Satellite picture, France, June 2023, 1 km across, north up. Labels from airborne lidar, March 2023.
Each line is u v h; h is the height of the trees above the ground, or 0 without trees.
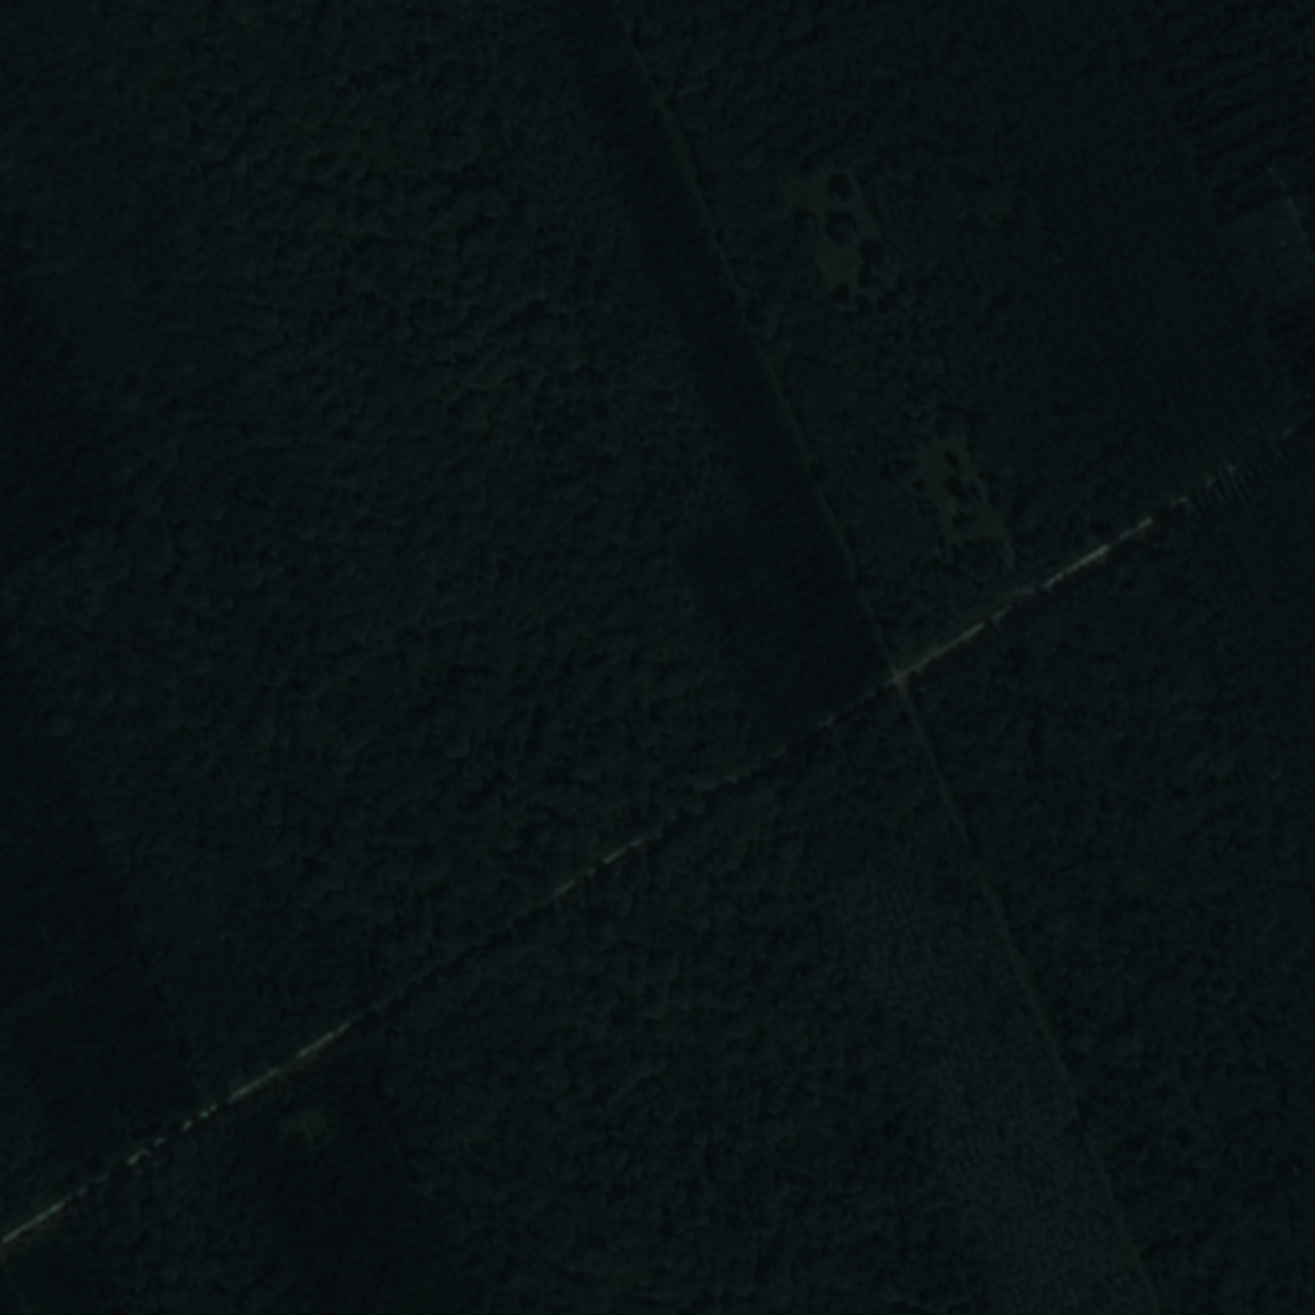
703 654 25
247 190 18
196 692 21
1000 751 23
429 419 22
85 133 23
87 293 21
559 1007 25
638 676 22
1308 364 23
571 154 27
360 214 25
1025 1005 26
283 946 23
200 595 21
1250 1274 20
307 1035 18
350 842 25
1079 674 23
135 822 20
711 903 21
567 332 24
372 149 21
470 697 23
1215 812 24
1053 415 37
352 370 17
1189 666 24
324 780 22
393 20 21
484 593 23
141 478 24
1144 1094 21
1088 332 36
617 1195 22
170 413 19
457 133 25
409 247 22
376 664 22
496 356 25
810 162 24
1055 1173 32
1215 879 22
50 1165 22
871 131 25
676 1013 19
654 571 22
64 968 9
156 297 17
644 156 15
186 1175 23
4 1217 20
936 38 20
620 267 22
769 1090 24
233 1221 17
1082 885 22
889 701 17
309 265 20
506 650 22
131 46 25
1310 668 37
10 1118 21
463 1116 24
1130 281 37
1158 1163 27
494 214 18
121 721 24
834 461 23
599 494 24
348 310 21
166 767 19
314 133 24
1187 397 39
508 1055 23
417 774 23
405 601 23
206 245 18
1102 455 36
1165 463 38
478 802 27
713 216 12
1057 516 22
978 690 25
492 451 24
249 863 18
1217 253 37
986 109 21
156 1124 17
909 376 20
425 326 19
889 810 20
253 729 22
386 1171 6
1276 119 17
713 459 27
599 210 24
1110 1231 32
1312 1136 31
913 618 21
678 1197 13
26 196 21
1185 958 22
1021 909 21
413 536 22
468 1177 20
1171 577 22
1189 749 27
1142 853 23
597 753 24
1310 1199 32
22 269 12
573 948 23
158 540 19
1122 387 36
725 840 22
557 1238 23
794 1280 23
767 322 20
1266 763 25
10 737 6
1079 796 21
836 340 27
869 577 22
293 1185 8
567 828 25
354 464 22
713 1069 22
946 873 24
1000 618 0
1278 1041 33
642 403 27
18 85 23
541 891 20
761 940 21
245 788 22
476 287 25
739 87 21
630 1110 24
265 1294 21
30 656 16
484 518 22
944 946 24
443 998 22
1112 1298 28
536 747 18
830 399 24
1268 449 0
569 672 22
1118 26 32
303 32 18
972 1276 22
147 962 19
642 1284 23
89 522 21
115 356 20
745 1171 22
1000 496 25
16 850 6
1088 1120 23
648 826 22
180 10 21
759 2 24
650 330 25
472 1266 18
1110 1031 21
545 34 27
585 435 15
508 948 25
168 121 22
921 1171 26
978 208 24
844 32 29
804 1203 22
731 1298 25
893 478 25
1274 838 24
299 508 21
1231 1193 21
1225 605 34
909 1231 21
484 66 26
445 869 22
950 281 34
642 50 20
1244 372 36
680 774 24
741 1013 21
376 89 21
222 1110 10
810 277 23
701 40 25
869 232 0
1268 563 37
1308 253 21
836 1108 21
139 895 19
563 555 22
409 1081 23
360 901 22
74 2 23
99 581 21
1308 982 31
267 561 23
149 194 23
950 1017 26
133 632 24
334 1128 8
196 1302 23
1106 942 22
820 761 19
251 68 19
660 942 18
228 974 26
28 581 19
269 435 22
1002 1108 32
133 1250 18
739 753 23
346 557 20
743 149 23
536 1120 21
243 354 20
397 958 20
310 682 22
